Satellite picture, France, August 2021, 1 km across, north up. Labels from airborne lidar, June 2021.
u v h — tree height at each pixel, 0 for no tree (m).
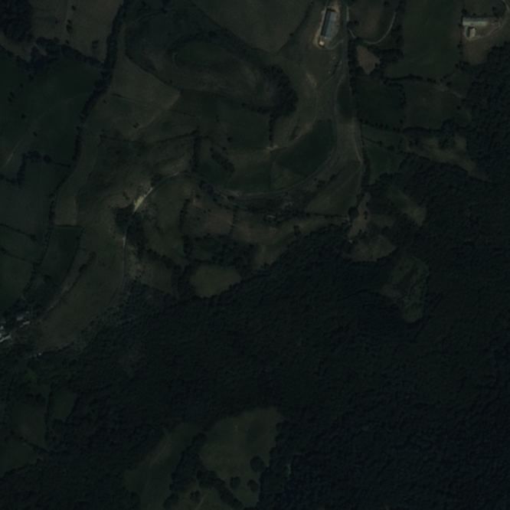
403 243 15
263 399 18
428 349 18
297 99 6
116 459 25
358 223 0
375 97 0
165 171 0
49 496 19
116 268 0
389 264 22
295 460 23
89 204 0
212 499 0
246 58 0
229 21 0
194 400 22
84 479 24
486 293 23
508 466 23
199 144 14
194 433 0
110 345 9
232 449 0
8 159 0
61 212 0
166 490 0
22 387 22
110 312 6
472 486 21
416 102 0
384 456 20
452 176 19
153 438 21
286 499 21
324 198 0
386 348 19
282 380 28
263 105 0
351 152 0
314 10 0
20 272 0
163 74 0
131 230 14
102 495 22
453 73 0
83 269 12
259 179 0
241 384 22
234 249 9
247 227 0
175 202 0
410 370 27
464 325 26
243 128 0
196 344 21
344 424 29
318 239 13
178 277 6
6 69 0
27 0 12
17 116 0
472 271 23
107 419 24
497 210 20
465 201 21
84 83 0
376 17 0
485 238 25
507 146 20
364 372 22
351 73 10
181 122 0
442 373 28
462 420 14
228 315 21
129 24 0
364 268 24
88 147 0
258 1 0
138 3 0
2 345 15
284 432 18
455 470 20
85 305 0
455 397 25
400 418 25
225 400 15
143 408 11
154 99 0
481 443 7
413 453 28
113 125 0
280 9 0
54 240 0
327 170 0
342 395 24
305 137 0
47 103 0
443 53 0
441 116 0
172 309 12
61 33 0
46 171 0
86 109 9
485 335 29
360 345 21
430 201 10
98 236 0
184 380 14
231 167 8
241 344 22
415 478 24
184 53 0
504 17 0
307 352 22
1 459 0
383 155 0
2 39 0
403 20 0
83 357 8
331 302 20
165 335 19
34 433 0
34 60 11
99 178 0
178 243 0
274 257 0
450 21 0
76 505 9
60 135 0
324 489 24
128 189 0
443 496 34
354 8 0
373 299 31
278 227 7
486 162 19
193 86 0
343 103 0
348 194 0
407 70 0
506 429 22
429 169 11
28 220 0
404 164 12
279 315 19
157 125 0
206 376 24
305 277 21
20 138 0
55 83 0
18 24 26
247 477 0
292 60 0
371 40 0
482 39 0
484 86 22
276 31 0
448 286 22
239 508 21
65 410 0
